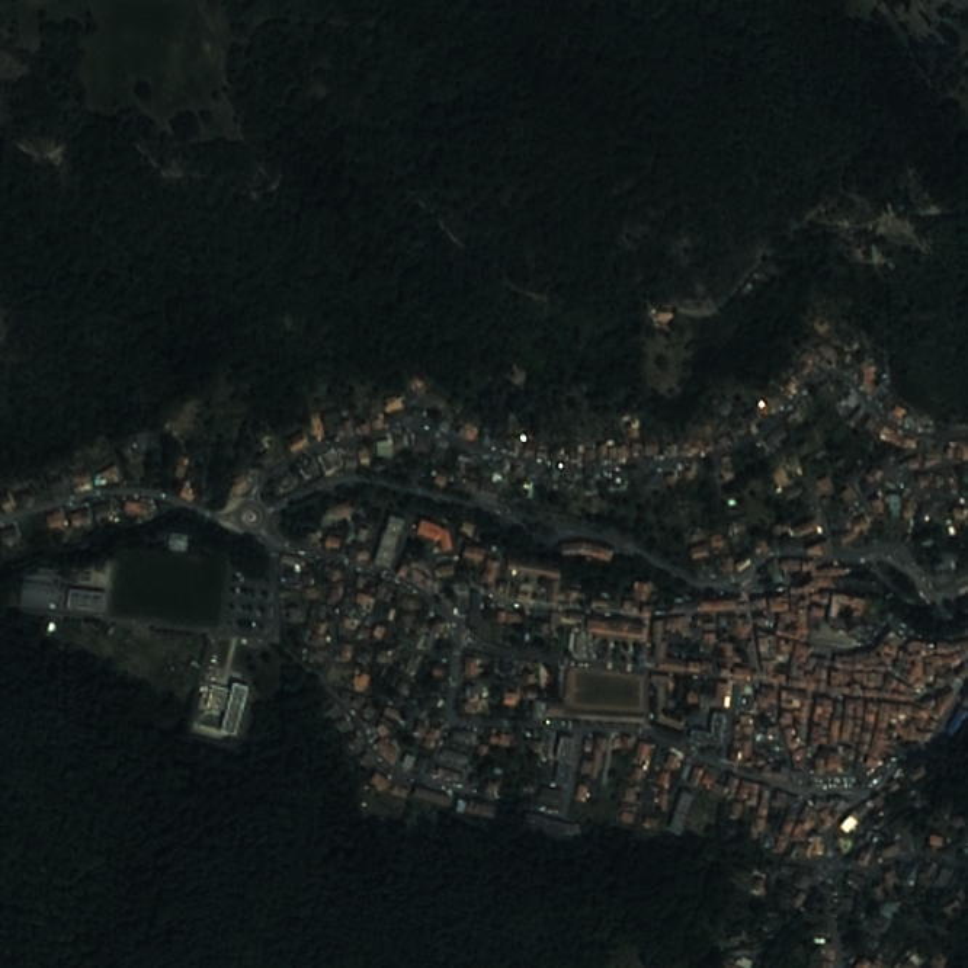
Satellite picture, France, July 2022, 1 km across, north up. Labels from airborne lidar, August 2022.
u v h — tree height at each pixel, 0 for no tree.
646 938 13
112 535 9
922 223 9
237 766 22
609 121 18
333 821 25
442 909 16
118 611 0
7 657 23
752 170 7
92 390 13
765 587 5
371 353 16
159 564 0
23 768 11
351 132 13
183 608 0
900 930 6
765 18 17
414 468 7
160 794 24
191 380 16
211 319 16
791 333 8
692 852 8
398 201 7
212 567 0
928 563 11
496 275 8
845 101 19
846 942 13
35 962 15
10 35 8
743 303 8
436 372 14
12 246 26
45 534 7
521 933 10
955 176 19
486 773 12
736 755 0
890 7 6
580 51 10
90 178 19
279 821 17
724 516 6
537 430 12
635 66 18
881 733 0
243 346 16
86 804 23
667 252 6
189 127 18
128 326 18
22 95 9
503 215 12
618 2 13
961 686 0
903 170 19
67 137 8
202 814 28
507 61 13
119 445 13
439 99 7
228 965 9
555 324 10
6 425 14
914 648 0
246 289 13
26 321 8
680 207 10
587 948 17
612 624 0
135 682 8
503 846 22
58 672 20
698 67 17
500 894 16
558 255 11
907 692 0
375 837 28
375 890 27
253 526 0
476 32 17
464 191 10
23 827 14
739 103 9
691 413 11
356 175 17
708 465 16
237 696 0
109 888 24
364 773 9
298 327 8
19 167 12
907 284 7
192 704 9
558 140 19
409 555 7
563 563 19
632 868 25
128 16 0
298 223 18
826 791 0
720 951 9
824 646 0
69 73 10
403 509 13
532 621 7
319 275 20
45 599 0
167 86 0
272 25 8
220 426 0
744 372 9
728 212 8
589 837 7
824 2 17
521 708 6
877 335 21
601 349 9
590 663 0
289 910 17
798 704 0
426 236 9
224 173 13
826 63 16
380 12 9
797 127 10
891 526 0
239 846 18
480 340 8
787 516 6
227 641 0
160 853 24
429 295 14
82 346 16
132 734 24
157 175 9
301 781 16
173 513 12
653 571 7
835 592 0
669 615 0
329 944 28
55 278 25
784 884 7
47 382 8
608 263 8
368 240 20
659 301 14
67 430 15
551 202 14
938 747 16
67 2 9
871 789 0
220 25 0
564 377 17
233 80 9
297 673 12
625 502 11
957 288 6
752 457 8
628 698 0
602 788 0
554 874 15
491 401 11
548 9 13
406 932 19
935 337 6
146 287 22
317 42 10
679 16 23
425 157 11
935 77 12
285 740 12
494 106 19
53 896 16
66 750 21
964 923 13
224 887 20
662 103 16
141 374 21
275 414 17
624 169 13
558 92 15
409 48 11
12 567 9
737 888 7
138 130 15
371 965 19
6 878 19
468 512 6
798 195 7
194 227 14
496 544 8
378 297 25
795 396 0
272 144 19
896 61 19
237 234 10
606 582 11
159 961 19
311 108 13
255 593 12
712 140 12
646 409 7
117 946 23
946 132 19
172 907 25
